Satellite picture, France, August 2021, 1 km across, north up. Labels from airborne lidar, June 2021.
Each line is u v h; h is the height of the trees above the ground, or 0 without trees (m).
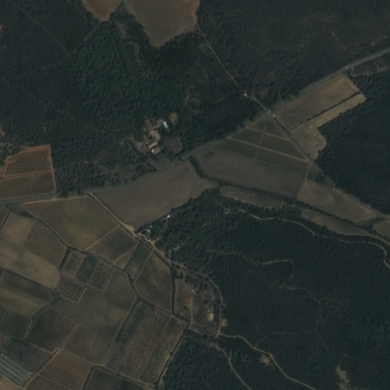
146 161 12
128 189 0
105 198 0
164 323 0
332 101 0
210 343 12
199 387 9
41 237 0
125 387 0
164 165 0
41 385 0
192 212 14
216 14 8
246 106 7
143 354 0
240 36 10
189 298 0
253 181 0
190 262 14
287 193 0
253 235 7
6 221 0
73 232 0
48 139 9
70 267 0
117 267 0
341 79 0
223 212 10
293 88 11
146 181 0
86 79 8
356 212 0
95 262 0
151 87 8
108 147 13
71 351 0
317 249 7
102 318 0
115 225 0
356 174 7
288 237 6
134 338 0
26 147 0
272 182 0
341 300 8
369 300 7
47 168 0
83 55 14
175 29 0
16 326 0
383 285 7
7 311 0
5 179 0
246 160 0
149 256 0
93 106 10
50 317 0
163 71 8
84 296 0
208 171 0
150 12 0
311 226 7
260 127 0
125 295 0
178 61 8
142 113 10
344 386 0
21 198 0
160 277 0
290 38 0
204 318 0
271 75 0
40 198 0
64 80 7
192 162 6
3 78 11
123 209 0
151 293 0
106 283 0
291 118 0
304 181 0
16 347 0
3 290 0
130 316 0
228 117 7
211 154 0
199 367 8
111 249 0
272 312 7
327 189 0
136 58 9
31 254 0
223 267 11
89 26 7
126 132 11
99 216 0
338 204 0
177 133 6
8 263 0
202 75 8
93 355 0
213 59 8
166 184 0
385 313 10
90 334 0
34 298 0
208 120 11
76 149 12
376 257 6
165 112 15
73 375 0
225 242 14
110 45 10
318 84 0
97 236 0
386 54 7
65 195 15
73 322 0
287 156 0
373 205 9
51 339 0
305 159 0
